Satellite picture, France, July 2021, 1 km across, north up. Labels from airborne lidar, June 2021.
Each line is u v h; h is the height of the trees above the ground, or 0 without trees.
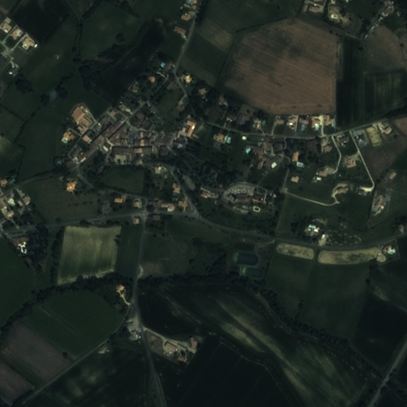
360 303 0
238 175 15
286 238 0
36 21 0
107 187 7
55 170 8
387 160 0
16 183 8
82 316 0
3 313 0
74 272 0
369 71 0
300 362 0
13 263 0
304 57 0
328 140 0
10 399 0
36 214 8
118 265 0
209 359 0
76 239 0
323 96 0
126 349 0
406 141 0
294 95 0
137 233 0
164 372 0
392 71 0
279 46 0
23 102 0
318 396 0
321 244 0
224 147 7
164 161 12
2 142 0
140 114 0
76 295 0
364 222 0
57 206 0
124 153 0
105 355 0
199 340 0
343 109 0
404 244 0
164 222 8
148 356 0
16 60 0
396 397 0
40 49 0
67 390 0
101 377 0
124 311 7
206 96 6
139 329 0
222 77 0
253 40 0
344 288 0
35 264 26
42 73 0
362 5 0
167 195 8
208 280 14
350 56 0
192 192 11
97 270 0
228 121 9
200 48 0
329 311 0
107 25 0
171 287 0
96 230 0
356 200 0
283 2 0
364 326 0
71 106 0
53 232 0
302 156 10
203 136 0
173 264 0
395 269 0
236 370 0
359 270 0
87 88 16
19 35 0
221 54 0
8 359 0
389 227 0
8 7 0
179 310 0
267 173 0
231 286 0
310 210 0
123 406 0
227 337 0
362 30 9
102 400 0
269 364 0
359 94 0
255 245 0
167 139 0
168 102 0
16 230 0
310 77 0
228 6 0
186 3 0
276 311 9
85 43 0
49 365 0
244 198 0
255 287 13
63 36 0
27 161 0
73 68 0
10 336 0
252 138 0
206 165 9
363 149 0
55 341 0
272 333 0
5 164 0
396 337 0
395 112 8
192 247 0
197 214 0
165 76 9
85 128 0
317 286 0
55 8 0
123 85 0
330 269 0
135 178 0
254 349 0
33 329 0
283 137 0
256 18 0
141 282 18
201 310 0
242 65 0
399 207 0
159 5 0
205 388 0
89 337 0
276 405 0
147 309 0
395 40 0
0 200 0
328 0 9
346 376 0
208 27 0
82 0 0
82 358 0
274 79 0
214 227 0
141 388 0
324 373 0
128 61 0
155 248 0
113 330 0
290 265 0
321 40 0
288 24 0
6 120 0
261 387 0
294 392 0
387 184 0
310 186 0
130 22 0
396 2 7
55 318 0
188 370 0
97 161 9
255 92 0
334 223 0
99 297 0
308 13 0
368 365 17
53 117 0
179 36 0
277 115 0
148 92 0
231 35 0
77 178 0
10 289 0
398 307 0
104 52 7
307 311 0
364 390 0
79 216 0
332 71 0
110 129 0
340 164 0
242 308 0
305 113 0
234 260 0
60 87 12
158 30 0
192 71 0
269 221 6
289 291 0
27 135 0
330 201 0
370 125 0
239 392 0
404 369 0
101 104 0
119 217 0
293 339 0
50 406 0
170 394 0
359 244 0
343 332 0
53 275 15
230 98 12
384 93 0
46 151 0
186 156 10
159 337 0
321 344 0
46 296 10
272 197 8
